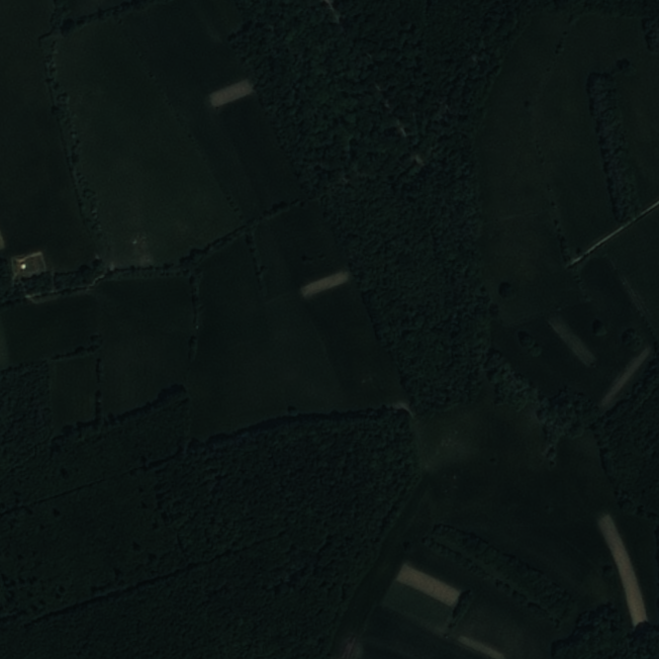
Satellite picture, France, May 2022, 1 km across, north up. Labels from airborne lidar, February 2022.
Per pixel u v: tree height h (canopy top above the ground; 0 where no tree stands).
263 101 14
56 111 12
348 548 25
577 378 0
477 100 21
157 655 22
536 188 0
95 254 0
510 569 12
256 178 0
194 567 20
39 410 14
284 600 21
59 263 0
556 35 0
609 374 0
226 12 0
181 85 0
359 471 21
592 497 0
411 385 19
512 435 0
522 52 0
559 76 0
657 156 0
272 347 0
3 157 0
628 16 12
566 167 0
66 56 0
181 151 0
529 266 0
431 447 0
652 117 0
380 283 10
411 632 0
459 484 0
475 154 15
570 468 0
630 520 0
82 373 0
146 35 0
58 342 0
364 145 25
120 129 0
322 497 21
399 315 7
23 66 0
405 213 10
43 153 0
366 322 0
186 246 0
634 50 0
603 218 0
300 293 0
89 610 19
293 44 26
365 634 0
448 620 0
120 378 0
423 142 23
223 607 18
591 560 0
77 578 10
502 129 0
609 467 16
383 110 22
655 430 12
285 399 0
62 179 0
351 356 0
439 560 0
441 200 20
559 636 0
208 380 0
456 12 17
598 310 0
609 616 22
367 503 21
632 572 0
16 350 0
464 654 0
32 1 0
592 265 0
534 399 10
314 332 0
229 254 0
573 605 17
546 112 0
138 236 0
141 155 0
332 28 25
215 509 25
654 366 9
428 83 24
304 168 11
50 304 0
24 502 11
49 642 15
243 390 0
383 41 22
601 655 25
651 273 0
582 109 0
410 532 0
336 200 15
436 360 21
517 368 0
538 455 0
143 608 20
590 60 0
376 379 0
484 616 0
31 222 0
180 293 0
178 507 19
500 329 0
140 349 0
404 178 19
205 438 0
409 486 14
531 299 0
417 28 18
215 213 0
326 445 20
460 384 9
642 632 18
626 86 0
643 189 0
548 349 0
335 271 0
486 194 0
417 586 0
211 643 18
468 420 0
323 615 21
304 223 0
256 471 22
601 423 16
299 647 17
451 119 20
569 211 0
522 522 0
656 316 0
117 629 21
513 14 24
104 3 0
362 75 26
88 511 11
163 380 0
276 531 19
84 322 0
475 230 21
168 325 0
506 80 0
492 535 0
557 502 0
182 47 0
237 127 0
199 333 0
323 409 0
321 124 23
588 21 0
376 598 0
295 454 19
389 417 16
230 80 0
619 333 0
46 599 9
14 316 0
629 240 0
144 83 0
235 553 21
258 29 22
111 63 0
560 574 0
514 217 0
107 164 0
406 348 20
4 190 0
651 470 11
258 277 9
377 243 12
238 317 0
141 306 0
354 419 21
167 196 0
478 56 21
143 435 11
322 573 25
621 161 16
